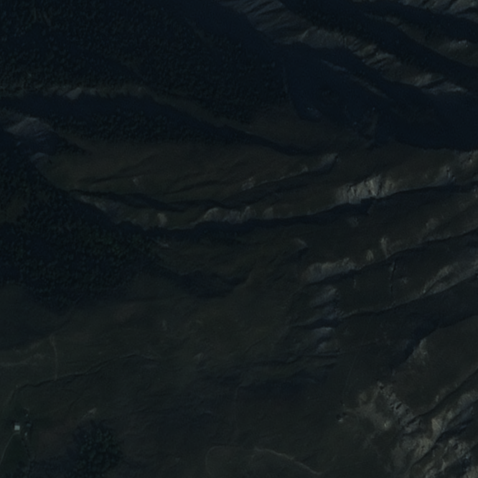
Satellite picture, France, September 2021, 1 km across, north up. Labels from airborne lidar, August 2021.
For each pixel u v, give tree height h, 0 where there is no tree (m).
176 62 7
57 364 0
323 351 0
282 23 0
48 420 0
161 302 0
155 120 6
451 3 0
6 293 0
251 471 0
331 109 0
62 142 12
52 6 9
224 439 0
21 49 12
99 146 0
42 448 0
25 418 0
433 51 0
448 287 0
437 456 0
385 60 0
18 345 0
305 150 0
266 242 0
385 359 0
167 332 0
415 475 0
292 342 0
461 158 0
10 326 0
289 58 0
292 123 0
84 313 0
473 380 0
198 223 0
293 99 0
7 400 0
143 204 0
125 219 0
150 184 0
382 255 0
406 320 0
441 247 0
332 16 7
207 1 0
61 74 21
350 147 0
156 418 0
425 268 0
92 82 15
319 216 0
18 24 13
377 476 0
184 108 0
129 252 8
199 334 0
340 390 0
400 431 0
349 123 0
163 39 7
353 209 0
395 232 0
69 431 0
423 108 0
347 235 0
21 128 0
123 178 0
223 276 0
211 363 0
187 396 0
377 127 0
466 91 0
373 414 0
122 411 0
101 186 0
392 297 0
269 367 0
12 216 0
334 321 0
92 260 13
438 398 0
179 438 0
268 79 5
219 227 0
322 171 0
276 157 0
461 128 0
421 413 0
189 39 17
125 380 0
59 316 0
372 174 0
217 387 0
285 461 0
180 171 0
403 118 0
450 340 0
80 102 0
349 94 0
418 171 0
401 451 0
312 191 0
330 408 0
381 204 0
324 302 0
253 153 0
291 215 0
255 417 0
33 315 0
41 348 0
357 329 0
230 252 0
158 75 8
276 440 0
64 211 8
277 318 0
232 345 0
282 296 0
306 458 0
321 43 0
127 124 9
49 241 12
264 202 0
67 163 0
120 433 0
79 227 10
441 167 0
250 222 0
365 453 0
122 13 13
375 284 0
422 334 0
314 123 0
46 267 24
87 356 0
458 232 0
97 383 0
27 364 0
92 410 0
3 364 0
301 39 0
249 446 0
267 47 0
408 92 0
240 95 7
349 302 0
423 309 0
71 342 0
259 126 0
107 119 10
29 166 8
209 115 0
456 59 0
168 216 0
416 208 0
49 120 18
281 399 0
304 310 0
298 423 0
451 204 0
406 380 0
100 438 11
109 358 0
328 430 0
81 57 25
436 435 0
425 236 0
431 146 0
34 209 9
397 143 0
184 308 0
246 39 0
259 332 0
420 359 0
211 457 0
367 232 0
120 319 0
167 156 0
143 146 0
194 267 0
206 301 0
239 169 0
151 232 0
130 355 0
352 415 0
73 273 14
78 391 0
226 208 0
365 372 0
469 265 0
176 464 0
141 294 0
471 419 0
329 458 0
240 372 0
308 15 7
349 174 0
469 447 0
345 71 0
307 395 0
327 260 0
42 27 7
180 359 0
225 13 0
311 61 0
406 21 8
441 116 0
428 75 0
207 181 0
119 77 18
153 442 0
